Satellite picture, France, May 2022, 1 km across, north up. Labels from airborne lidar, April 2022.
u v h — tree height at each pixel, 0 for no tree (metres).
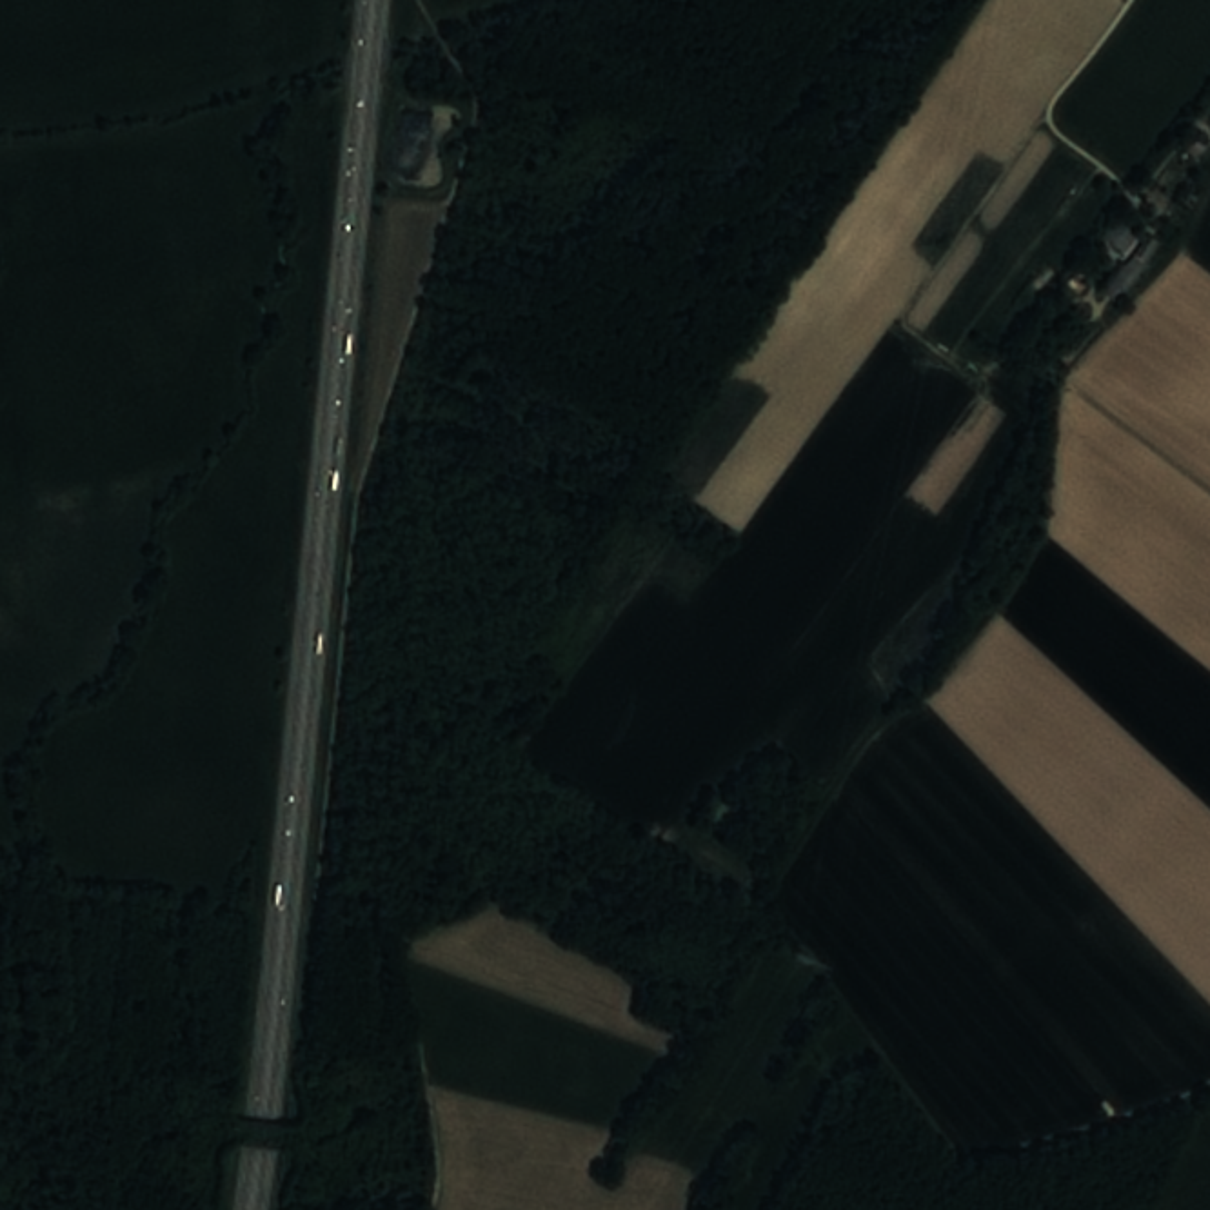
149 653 0
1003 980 0
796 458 0
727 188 29
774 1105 0
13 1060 23
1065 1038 0
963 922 0
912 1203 20
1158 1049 0
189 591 0
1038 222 0
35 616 0
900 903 0
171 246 0
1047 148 0
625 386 28
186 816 0
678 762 0
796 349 0
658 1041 0
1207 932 0
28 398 0
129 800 0
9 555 0
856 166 24
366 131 0
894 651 0
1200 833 0
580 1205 0
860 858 0
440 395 16
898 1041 0
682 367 29
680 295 28
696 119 23
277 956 0
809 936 0
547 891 15
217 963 19
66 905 14
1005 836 0
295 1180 10
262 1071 0
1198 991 0
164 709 0
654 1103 12
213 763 0
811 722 0
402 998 18
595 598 0
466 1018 0
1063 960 0
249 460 0
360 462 0
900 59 28
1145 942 0
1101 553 0
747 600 0
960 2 22
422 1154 12
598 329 29
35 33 0
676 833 0
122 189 0
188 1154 7
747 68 27
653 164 24
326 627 0
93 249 0
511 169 7
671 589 0
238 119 0
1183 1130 17
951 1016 0
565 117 24
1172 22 0
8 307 0
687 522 8
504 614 25
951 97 0
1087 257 16
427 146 0
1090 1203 20
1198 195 6
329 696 0
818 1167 20
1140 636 0
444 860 24
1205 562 0
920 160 0
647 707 0
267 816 0
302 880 0
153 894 16
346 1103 7
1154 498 0
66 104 0
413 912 21
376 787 20
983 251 0
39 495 0
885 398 0
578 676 0
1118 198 7
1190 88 0
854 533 0
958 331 0
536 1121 0
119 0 0
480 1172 0
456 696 24
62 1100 22
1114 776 0
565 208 7
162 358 0
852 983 0
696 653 0
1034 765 0
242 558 0
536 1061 0
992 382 0
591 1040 0
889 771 0
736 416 0
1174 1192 0
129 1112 20
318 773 0
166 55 0
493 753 27
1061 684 0
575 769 0
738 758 0
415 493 22
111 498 0
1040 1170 23
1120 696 0
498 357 29
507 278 24
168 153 0
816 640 0
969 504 0
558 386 30
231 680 0
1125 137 0
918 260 0
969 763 0
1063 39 0
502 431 27
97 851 0
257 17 0
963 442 0
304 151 0
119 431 0
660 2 25
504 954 0
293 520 0
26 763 16
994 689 0
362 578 15
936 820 0
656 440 24
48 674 0
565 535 20
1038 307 10
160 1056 19
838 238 0
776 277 24
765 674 0
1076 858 0
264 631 0
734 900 21
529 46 27
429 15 0
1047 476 13
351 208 0
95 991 19
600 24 23
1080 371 0
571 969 0
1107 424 0
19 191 0
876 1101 20
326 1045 17
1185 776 0
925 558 0
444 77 18
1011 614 0
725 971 21
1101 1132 15
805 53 26
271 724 0
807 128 29
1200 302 0
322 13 0
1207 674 0
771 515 0
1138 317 0
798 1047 23
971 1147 0
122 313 0
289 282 12
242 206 0
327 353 0
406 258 0
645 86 25
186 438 0
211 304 0
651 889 24
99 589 0
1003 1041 0
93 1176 20
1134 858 0
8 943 24
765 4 28
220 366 0
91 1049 19
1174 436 0
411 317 0
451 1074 0
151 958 19
